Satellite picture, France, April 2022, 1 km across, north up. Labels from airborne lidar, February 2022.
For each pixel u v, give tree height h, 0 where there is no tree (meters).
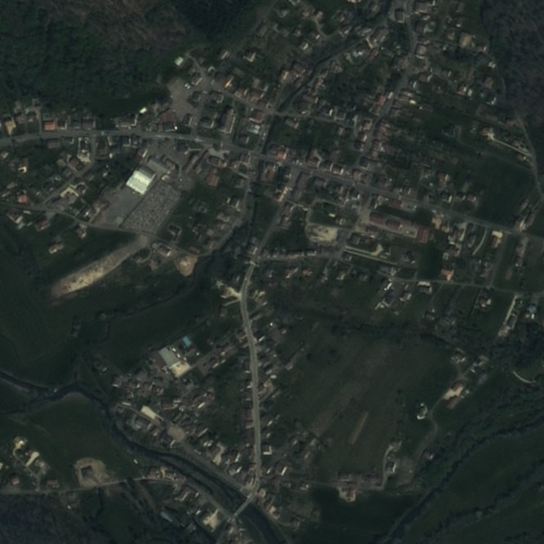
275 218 0
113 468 0
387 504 0
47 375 0
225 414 0
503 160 0
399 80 10
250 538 0
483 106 0
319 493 0
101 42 17
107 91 17
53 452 0
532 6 28
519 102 36
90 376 0
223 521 0
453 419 0
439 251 0
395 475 0
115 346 0
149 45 25
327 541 0
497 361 15
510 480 0
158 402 0
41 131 0
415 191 0
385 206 0
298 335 0
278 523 0
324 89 0
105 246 0
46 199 0
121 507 0
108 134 0
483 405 0
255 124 0
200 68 0
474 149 0
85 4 25
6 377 0
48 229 0
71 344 0
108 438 0
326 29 0
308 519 0
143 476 0
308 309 0
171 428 0
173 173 0
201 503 0
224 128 0
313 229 0
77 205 0
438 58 0
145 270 0
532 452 0
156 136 0
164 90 0
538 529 0
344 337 9
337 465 0
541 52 34
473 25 0
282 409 0
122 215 0
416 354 0
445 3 0
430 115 0
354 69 0
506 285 0
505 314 0
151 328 0
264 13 0
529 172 0
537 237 0
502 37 30
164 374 0
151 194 0
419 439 0
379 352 0
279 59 0
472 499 0
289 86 0
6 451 8
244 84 0
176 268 0
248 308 0
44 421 0
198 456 0
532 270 0
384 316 0
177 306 0
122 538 0
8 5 17
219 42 8
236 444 0
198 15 27
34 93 24
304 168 0
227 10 27
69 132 0
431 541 24
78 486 0
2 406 0
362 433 0
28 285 0
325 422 0
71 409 0
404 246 0
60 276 0
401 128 6
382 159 7
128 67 21
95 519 11
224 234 0
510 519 0
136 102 0
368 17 12
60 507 9
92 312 0
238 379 0
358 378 0
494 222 0
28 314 0
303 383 0
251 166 0
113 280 0
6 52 28
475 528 0
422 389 0
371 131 0
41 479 0
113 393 7
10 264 0
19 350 0
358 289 0
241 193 0
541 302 0
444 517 0
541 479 15
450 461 21
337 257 0
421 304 0
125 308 0
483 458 0
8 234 0
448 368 0
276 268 0
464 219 0
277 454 0
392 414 0
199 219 7
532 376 0
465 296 0
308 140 0
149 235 0
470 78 0
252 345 0
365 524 0
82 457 0
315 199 0
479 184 0
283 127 0
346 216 0
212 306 0
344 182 0
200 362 0
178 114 0
